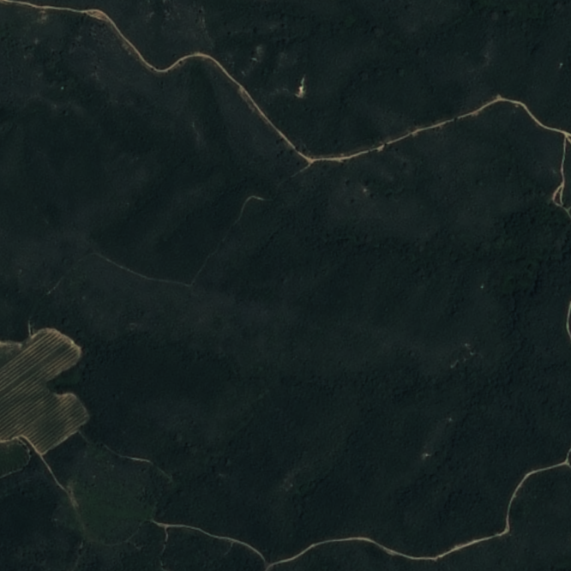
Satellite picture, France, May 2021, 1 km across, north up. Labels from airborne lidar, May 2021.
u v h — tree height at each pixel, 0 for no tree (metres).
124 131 5
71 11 0
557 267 7
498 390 10
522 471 6
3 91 5
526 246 10
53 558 7
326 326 5
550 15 8
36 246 0
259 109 0
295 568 7
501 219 6
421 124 6
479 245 8
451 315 10
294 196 6
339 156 0
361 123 6
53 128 6
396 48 7
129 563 8
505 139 6
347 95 6
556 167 0
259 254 5
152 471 7
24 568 6
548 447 6
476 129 6
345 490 6
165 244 6
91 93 7
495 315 6
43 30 0
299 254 6
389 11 6
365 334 6
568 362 7
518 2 7
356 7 7
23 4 0
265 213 8
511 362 8
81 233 0
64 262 7
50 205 6
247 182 8
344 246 12
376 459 6
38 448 0
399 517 6
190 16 0
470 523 5
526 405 6
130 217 6
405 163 8
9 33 6
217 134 6
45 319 6
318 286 7
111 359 7
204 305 0
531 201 6
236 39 6
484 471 5
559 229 9
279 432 6
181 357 8
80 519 0
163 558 6
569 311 0
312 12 5
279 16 7
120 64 0
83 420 0
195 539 9
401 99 5
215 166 6
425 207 6
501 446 6
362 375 12
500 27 7
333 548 6
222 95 0
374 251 12
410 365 8
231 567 7
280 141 7
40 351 0
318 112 12
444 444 9
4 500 5
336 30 8
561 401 9
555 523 5
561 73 5
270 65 5
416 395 13
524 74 5
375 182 6
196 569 7
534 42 8
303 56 8
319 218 6
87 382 6
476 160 6
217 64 0
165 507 8
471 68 0
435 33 7
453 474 8
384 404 6
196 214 6
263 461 6
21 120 6
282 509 6
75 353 0
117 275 0
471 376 11
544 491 5
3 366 0
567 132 0
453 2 7
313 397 7
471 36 6
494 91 6
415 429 6
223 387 6
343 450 9
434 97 6
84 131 6
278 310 0
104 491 0
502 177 7
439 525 9
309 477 9
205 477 9
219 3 5
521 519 6
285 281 8
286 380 12
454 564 6
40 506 6
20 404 0
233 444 13
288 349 6
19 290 9
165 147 5
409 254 6
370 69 6
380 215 0
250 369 5
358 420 8
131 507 0
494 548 6
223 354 7
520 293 16
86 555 6
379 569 7
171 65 0
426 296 6
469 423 11
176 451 10
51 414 0
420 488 11
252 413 7
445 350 0
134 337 10
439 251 8
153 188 6
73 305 6
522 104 0
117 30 0
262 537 6
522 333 8
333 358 6
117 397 8
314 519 6
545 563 6
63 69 9
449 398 9
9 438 0
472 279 5
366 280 6
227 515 6
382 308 5
